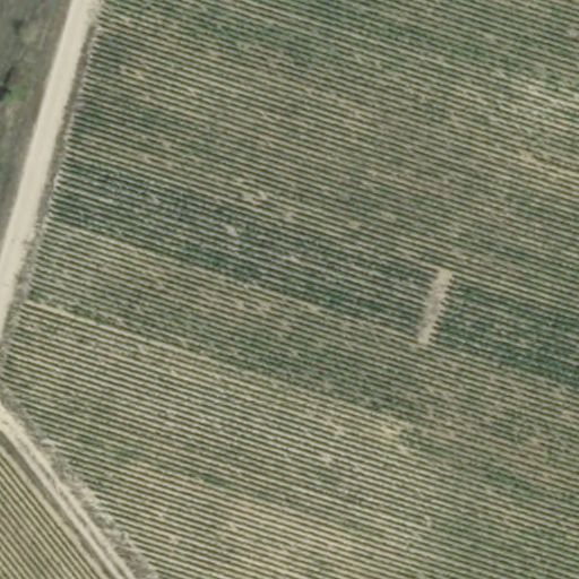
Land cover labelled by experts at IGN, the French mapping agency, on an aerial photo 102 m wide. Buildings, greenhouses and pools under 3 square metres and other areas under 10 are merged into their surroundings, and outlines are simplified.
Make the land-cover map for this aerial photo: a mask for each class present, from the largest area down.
<instances>
[{"label":"vineyard","instance_id":"1","mask_svg":"<svg viewBox=\"0 0 579 579\"><path fill-rule=\"evenodd\" d=\"M0 403L27 430V434L16 446L0 430V579H579V0H102V11L97 18L90 20L81 43L75 79L63 109L61 127L57 131L47 179L38 199L34 237L25 242V258L16 274L14 299L7 308L0 335Z\"/></svg>","mask_w":579,"mask_h":579},{"label":"agricultural land","instance_id":"2","mask_svg":"<svg viewBox=\"0 0 579 579\"><path fill-rule=\"evenodd\" d=\"M70 0H0V249L16 201L18 181L23 174L34 124L38 120L45 84L66 25Z\"/></svg>","mask_w":579,"mask_h":579},{"label":"pervious surface","instance_id":"3","mask_svg":"<svg viewBox=\"0 0 579 579\"><path fill-rule=\"evenodd\" d=\"M102 11V0H70L66 25L45 84L38 120L34 124L23 174L18 181L16 201L0 249V335L7 308L14 299L16 274L25 258V242L34 237L38 199L47 179L57 131L61 127L63 109L75 79L81 43L90 20L97 18ZM0 430L16 446L27 434V430L0 403Z\"/></svg>","mask_w":579,"mask_h":579}]
</instances>
